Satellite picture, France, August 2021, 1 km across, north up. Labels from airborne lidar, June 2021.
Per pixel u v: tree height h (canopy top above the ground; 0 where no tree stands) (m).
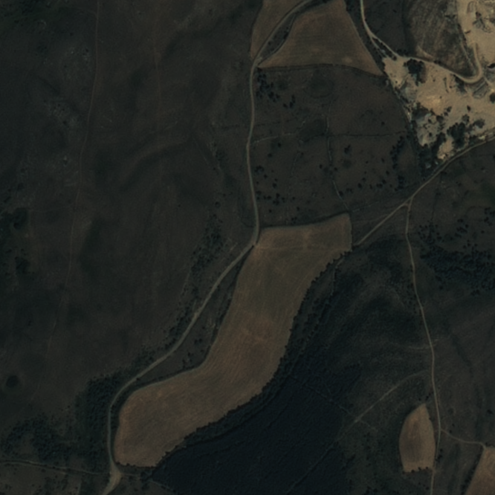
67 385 0
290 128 0
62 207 0
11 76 0
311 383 12
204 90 0
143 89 0
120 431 0
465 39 6
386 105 0
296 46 0
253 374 0
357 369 9
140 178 0
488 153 0
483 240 0
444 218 0
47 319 0
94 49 0
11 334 0
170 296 0
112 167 0
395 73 0
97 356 0
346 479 7
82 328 0
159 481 9
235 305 0
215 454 13
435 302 0
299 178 0
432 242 8
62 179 0
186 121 0
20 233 0
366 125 0
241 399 0
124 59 0
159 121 0
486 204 0
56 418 0
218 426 10
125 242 0
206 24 0
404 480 0
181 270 0
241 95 0
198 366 0
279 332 0
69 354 0
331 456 10
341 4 0
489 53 0
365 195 0
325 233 0
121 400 6
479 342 0
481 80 0
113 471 0
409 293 6
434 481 0
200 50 0
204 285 0
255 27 0
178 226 0
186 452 11
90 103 0
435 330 0
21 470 0
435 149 10
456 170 0
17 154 0
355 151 0
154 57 0
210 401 0
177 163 0
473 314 0
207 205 0
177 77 0
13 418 0
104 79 0
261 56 0
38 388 0
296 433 11
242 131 0
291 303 0
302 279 0
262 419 13
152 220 0
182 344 0
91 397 11
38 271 0
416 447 0
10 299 0
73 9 0
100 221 0
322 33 0
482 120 0
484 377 0
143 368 0
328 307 8
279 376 8
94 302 0
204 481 10
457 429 0
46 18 0
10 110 0
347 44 0
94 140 0
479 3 0
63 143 0
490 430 0
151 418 0
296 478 9
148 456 0
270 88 13
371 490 11
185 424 0
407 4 0
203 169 0
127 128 0
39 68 0
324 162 0
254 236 0
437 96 0
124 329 0
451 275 17
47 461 6
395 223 0
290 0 0
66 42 0
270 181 0
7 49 0
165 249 0
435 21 0
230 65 0
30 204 0
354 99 0
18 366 0
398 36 0
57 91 0
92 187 0
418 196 0
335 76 0
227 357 0
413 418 0
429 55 0
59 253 0
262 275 0
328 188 0
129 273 0
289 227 0
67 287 0
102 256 0
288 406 13
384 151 0
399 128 0
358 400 0
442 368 0
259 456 9
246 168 0
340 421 9
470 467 0
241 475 10
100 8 0
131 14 0
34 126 0
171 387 0
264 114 0
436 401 0
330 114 0
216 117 0
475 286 11
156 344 0
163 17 0
